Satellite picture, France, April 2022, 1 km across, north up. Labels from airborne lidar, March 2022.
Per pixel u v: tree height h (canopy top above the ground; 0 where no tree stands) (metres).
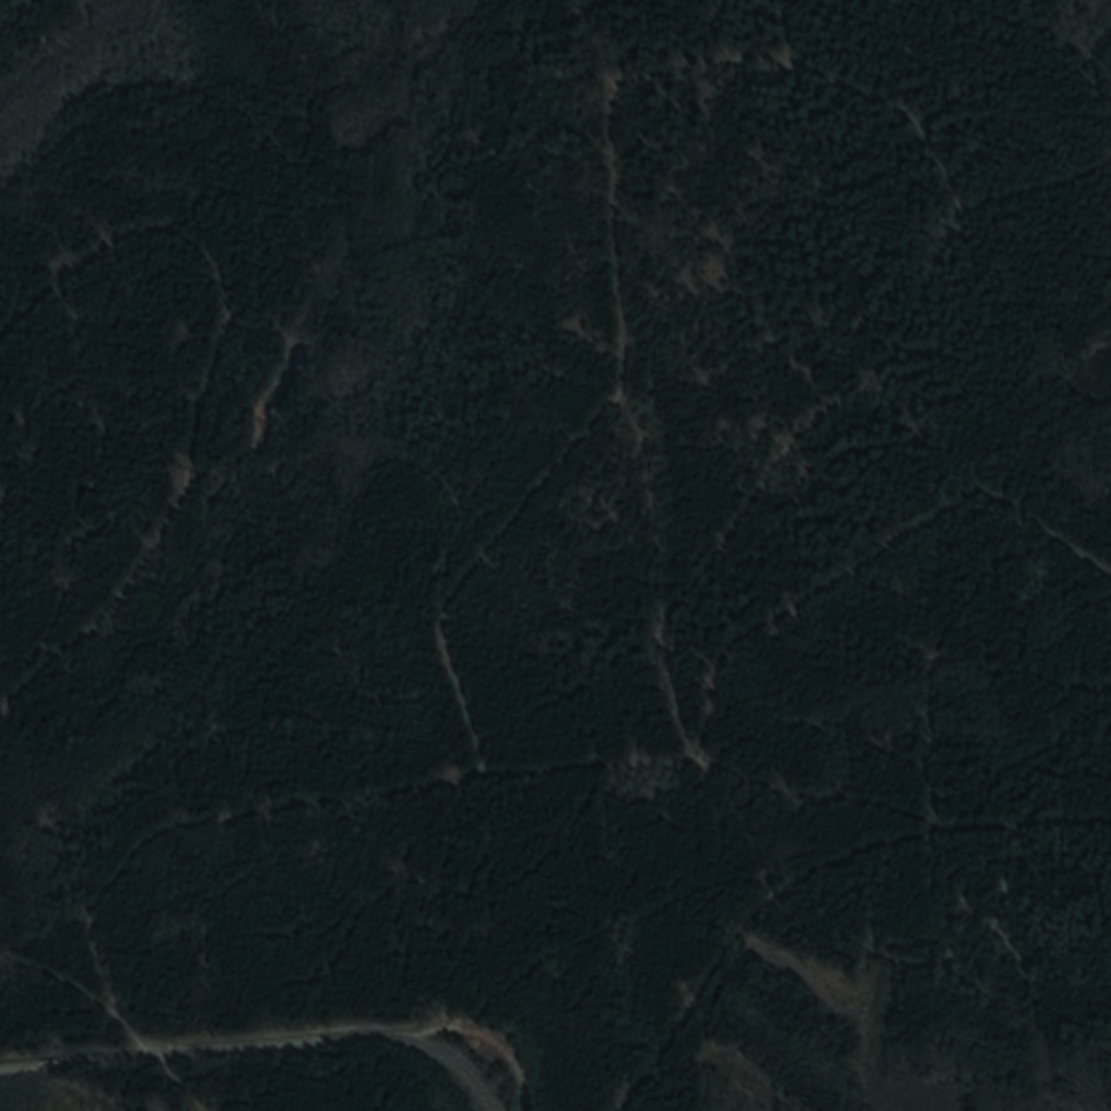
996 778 22
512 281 13
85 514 20
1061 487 25
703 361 7
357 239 21
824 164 11
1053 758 23
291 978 13
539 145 12
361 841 12
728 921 25
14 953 17
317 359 9
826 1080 24
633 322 12
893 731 17
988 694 17
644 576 15
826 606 17
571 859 23
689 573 18
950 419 24
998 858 20
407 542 24
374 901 15
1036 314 23
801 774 22
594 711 20
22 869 28
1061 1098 23
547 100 10
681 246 12
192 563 8
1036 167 29
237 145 22
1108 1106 23
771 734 19
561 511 13
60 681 22
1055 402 27
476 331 10
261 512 13
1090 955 21
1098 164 25
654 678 26
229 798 21
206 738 20
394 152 27
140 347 18
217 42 25
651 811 24
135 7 7
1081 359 20
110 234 19
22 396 21
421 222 13
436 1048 0
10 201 18
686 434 9
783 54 13
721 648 21
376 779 21
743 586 22
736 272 11
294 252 19
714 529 18
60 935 18
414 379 10
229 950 13
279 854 16
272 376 17
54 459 21
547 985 23
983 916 11
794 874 20
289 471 12
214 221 23
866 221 28
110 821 15
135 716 20
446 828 19
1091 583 20
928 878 15
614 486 11
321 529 20
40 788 28
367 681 14
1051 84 27
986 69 26
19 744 25
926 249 27
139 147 16
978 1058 27
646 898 20
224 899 11
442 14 25
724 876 19
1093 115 27
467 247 26
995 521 27
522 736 17
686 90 6
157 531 14
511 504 9
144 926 12
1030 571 18
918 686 18
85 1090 22
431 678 18
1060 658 24
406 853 15
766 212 14
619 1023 16
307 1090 17
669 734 19
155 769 15
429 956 17
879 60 26
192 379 20
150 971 13
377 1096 21
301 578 22
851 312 6
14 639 13
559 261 12
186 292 24
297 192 24
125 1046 19
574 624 15
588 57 13
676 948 19
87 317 19
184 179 18
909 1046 24
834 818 20
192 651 14
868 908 27
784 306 25
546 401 11
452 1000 22
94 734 23
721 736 18
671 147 12
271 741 18
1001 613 19
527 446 12
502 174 13
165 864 14
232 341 19
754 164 14
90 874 24
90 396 17
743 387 13
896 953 12
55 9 27
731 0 9
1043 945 25
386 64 13
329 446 16
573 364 13
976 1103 11
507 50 25
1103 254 27
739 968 19
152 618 12
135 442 22
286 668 18
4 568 15
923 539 19
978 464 23
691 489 16
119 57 17
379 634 13
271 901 19
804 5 26
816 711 16
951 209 27
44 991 16
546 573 8
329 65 22
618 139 17
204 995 15
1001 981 12
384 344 21
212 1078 13
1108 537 16
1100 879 8
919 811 24
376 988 21
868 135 25
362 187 23
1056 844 26
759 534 14
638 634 27
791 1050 22
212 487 7
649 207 15
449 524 15
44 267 20
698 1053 24
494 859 19
